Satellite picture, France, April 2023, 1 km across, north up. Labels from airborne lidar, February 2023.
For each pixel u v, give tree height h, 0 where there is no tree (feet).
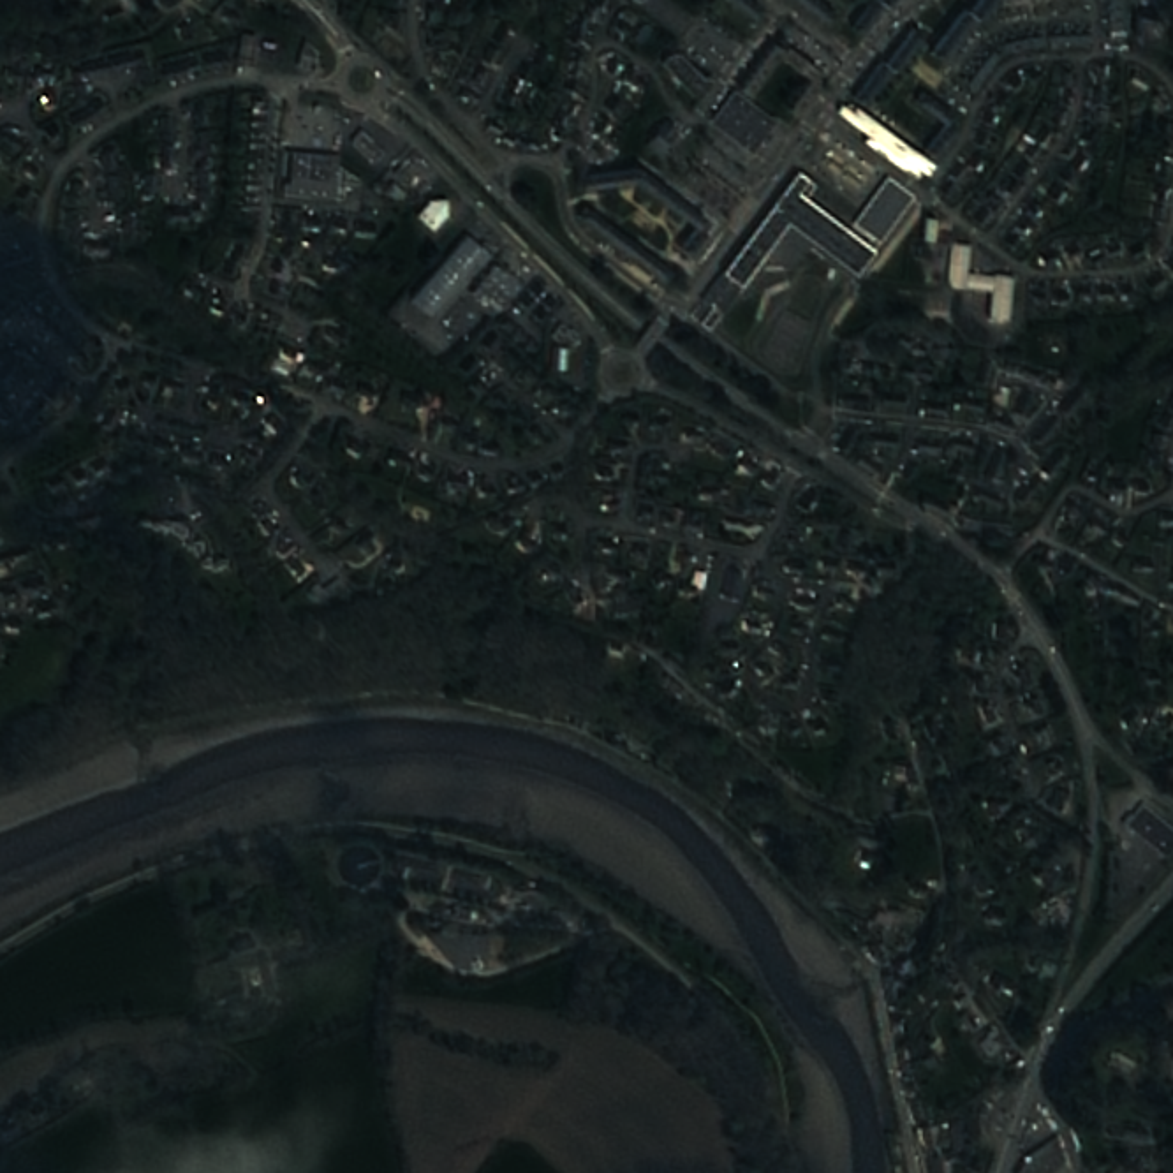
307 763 0
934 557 52
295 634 68
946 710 18
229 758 0
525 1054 23
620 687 33
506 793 0
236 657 62
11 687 0
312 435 27
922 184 42
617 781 0
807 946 0
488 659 62
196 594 59
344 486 29
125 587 58
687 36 0
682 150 0
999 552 39
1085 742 0
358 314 42
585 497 42
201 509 54
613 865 0
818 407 0
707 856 0
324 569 0
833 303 0
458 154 0
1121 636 66
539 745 0
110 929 0
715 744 54
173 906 66
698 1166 0
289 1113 0
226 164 33
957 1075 0
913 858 0
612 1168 0
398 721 0
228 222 30
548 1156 0
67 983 0
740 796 50
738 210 0
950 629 50
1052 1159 0
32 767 60
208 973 0
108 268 51
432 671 77
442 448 0
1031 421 0
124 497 44
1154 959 0
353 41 0
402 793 0
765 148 0
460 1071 0
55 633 38
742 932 0
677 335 42
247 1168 0
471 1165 0
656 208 0
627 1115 0
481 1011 0
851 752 59
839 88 0
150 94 0
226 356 43
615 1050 0
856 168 0
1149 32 0
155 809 0
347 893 32
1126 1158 26
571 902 34
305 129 0
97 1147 0
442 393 24
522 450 30
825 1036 0
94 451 0
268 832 0
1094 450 50
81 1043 0
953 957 42
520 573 46
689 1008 17
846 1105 0
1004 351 31
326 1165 0
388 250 0
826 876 44
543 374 19
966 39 0
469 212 0
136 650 87
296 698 83
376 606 52
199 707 64
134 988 0
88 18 30
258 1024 42
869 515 0
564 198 0
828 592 0
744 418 22
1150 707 45
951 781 45
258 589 39
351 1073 0
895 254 0
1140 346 19
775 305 0
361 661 89
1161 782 60
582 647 63
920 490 0
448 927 63
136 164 0
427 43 20
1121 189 0
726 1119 76
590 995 84
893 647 61
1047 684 39
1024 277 0
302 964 36
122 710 61
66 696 51
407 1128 0
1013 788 23
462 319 0
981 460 25
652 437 0
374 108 0
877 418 0
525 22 0
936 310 0
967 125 0
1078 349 44
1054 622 53
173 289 38
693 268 0
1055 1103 74
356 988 0
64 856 0
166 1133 0
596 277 51
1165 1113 72
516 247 0
